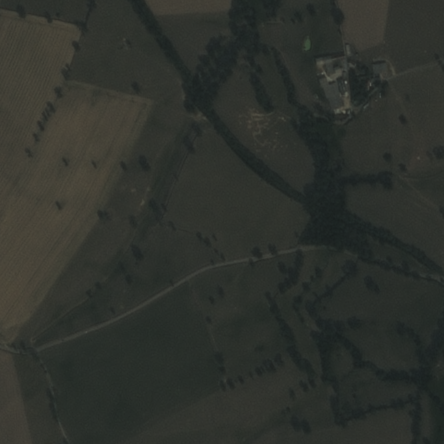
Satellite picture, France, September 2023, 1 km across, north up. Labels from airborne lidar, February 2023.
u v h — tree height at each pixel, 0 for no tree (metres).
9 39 0
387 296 0
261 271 0
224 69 17
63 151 0
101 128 0
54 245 0
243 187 0
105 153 0
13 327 0
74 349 0
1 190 0
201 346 0
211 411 0
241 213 0
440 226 0
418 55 0
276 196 0
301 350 0
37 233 0
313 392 0
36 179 0
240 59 0
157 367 0
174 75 0
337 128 0
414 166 0
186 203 0
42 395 0
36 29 0
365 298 0
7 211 0
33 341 0
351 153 0
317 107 18
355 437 0
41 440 0
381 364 0
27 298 0
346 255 0
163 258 0
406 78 0
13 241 0
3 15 0
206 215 0
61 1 0
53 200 0
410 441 0
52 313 0
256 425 0
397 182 0
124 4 0
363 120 0
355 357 18
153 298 0
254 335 0
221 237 0
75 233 0
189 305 0
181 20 0
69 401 0
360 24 0
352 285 0
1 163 0
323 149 16
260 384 0
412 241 0
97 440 0
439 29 0
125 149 0
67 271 0
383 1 0
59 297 0
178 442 0
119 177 0
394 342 0
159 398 0
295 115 0
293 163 0
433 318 0
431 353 17
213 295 0
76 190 0
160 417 0
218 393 0
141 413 0
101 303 0
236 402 0
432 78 0
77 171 0
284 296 0
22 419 0
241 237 0
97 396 0
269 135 0
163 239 0
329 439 0
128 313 0
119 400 0
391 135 0
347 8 0
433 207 0
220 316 0
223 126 11
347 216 11
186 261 0
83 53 0
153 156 0
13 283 0
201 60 16
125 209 0
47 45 0
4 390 0
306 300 0
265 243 0
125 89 0
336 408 14
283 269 18
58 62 0
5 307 0
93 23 0
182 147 0
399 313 0
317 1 0
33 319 0
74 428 0
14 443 0
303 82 0
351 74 10
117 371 0
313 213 15
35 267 0
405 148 0
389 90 0
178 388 0
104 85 0
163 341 0
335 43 0
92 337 0
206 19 0
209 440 0
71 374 0
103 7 0
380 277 0
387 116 0
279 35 0
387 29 0
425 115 0
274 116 0
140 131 0
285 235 0
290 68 0
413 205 0
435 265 7
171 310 0
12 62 0
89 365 0
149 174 0
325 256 0
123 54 0
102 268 0
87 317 0
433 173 0
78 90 0
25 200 0
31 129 0
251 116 0
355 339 0
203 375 0
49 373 0
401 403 15
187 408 0
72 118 0
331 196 25
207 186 0
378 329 0
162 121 0
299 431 0
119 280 0
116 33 0
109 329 0
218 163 0
